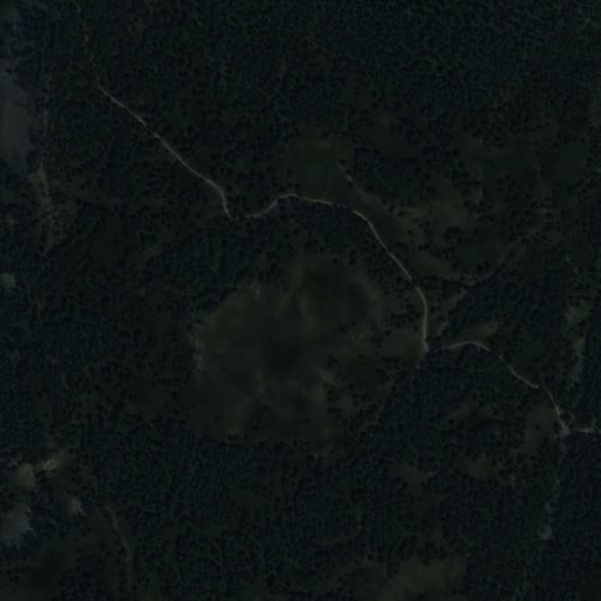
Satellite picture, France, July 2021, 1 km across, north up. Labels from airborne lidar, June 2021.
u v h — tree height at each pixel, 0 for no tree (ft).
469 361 38
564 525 51
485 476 0
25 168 0
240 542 73
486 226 31
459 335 55
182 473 49
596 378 65
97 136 58
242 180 51
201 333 0
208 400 0
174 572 49
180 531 0
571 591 33
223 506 52
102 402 0
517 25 43
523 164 0
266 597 0
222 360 0
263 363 0
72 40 81
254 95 41
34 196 25
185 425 59
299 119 41
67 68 59
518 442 59
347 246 38
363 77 45
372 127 47
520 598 73
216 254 81
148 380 0
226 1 77
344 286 0
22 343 60
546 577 41
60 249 60
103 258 0
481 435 54
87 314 68
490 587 71
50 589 0
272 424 0
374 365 0
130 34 59
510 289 60
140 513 74
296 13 41
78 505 0
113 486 36
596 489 54
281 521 51
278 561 69
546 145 0
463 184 49
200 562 68
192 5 61
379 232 0
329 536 47
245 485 61
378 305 0
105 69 52
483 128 35
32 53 29
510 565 54
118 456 31
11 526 0
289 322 0
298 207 42
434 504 0
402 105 52
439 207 0
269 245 34
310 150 0
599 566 49
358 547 46
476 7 73
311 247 53
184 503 72
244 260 61
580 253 0
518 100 45
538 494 50
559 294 33
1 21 0
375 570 0
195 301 56
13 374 54
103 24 62
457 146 0
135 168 47
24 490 0
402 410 61
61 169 25
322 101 61
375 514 45
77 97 80
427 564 48
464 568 0
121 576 34
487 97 55
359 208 0
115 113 45
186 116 52
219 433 0
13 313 56
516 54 55
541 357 22
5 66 0
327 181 0
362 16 57
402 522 56
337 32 27
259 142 32
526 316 49
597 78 25
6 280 0
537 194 0
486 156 0
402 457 52
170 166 51
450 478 62
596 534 51
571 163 0
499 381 51
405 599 0
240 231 40
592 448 40
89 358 62
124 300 59
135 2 60
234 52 53
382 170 66
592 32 26
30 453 52
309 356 0
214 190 0
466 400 50
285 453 56
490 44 70
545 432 0
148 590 56
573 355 55
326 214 64
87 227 72
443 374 72
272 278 50
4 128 0
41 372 48
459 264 63
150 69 68
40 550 34
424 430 66
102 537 0
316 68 32
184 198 60
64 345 70
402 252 57
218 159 53
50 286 63
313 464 45
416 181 71
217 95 38
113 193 68
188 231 0
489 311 48
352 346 0
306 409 0
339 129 47
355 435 44
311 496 62
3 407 37
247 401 0
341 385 0
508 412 45
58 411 44
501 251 0
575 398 62
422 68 36
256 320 0
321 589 0
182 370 19
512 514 70
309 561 67
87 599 72
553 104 37
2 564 43
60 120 62
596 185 45
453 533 50
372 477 43
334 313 0
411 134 63
